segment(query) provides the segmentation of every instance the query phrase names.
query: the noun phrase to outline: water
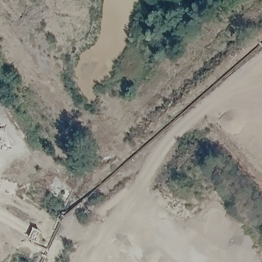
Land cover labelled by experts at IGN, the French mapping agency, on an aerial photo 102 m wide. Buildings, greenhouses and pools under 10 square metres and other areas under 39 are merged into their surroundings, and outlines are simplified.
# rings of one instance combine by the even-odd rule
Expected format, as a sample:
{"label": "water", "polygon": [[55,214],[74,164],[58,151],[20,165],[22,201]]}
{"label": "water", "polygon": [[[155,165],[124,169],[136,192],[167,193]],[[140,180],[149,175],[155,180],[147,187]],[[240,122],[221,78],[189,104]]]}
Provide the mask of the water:
{"label": "water", "polygon": [[88,103],[95,99],[93,87],[100,86],[99,81],[111,75],[114,60],[121,54],[130,38],[134,16],[142,12],[141,7],[133,8],[138,0],[104,0],[98,39],[94,46],[81,54],[74,69],[75,75],[72,79],[76,88],[80,89],[80,94],[88,99]]}

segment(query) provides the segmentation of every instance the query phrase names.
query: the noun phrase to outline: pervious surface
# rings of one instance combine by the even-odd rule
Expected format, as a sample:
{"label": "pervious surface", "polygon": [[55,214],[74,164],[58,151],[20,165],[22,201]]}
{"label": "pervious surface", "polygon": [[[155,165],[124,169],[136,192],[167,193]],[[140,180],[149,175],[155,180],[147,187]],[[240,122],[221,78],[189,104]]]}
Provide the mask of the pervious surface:
{"label": "pervious surface", "polygon": [[225,133],[230,134],[230,139],[238,148],[242,148],[243,154],[257,170],[262,167],[262,54],[257,53],[213,92],[196,102],[192,110],[172,124],[146,159],[136,179],[129,180],[111,200],[99,206],[96,212],[98,221],[82,225],[76,215],[71,216],[69,213],[64,219],[58,218],[52,219],[45,209],[40,210],[26,203],[29,198],[27,194],[23,194],[23,199],[18,198],[15,193],[16,183],[1,179],[3,171],[10,167],[15,159],[19,159],[29,147],[25,141],[25,134],[16,122],[16,113],[9,106],[0,104],[0,262],[262,262],[262,249],[253,249],[252,238],[244,233],[242,223],[231,218],[224,206],[210,202],[207,209],[194,215],[198,207],[192,208],[192,204],[185,204],[185,200],[182,200],[175,208],[171,208],[168,198],[164,200],[158,189],[152,189],[158,169],[166,165],[165,157],[176,142],[177,137],[194,129],[196,123],[205,115],[208,116],[211,124],[217,123]]}

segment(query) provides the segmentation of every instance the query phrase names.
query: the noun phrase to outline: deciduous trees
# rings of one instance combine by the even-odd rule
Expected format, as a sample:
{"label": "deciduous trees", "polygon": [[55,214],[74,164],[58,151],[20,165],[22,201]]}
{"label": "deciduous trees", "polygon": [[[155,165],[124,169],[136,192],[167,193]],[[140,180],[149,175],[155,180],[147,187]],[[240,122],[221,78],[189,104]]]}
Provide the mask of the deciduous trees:
{"label": "deciduous trees", "polygon": [[0,45],[0,104],[9,106],[10,102],[18,98],[12,90],[19,91],[21,83],[18,71],[13,64],[6,62]]}
{"label": "deciduous trees", "polygon": [[226,45],[225,50],[228,51],[227,55],[234,55],[242,50],[246,46],[246,39],[253,39],[259,32],[262,33],[262,18],[252,20],[251,26],[243,32],[236,31],[231,34],[227,27],[221,30],[215,38]]}
{"label": "deciduous trees", "polygon": [[233,7],[233,2],[238,0],[138,0],[133,8],[141,7],[142,12],[134,16],[130,38],[138,38],[145,34],[146,40],[142,40],[142,44],[150,50],[148,62],[151,63],[155,58],[160,63],[166,58],[178,59],[187,45],[191,47],[202,37],[209,36],[210,21],[221,23],[220,14]]}
{"label": "deciduous trees", "polygon": [[177,137],[176,142],[178,148],[192,156],[199,141],[207,140],[207,134],[210,132],[207,127],[203,130],[194,129]]}
{"label": "deciduous trees", "polygon": [[67,208],[60,192],[52,193],[47,189],[41,199],[40,210],[45,209],[52,219],[58,218],[58,211]]}
{"label": "deciduous trees", "polygon": [[214,190],[218,192],[224,206],[231,218],[242,223],[244,233],[252,238],[253,249],[262,249],[262,192],[257,189],[254,176],[247,171],[239,170],[232,156],[223,147],[217,157],[207,156],[199,166],[202,175],[209,177],[214,183]]}
{"label": "deciduous trees", "polygon": [[85,132],[77,131],[74,140],[65,144],[68,147],[68,151],[64,152],[67,158],[57,157],[51,142],[42,138],[40,132],[35,128],[25,134],[25,141],[29,147],[34,150],[43,149],[55,163],[67,168],[77,177],[100,167],[98,159],[102,157],[96,154],[99,146],[90,129]]}

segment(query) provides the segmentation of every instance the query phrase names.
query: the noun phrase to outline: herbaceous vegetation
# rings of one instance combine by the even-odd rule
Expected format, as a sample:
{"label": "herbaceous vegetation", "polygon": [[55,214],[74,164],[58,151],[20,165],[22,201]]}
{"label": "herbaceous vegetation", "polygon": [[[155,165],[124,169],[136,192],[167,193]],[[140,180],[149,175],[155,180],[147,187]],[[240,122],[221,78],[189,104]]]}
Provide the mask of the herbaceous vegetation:
{"label": "herbaceous vegetation", "polygon": [[136,96],[131,101],[108,93],[99,93],[100,115],[90,114],[81,103],[75,105],[71,92],[65,91],[61,81],[62,71],[67,69],[63,60],[67,47],[71,46],[67,39],[75,39],[78,43],[88,31],[91,0],[0,0],[0,45],[6,62],[13,64],[18,71],[21,83],[37,92],[34,100],[49,122],[46,124],[45,132],[40,132],[42,138],[51,142],[57,157],[67,158],[64,152],[68,151],[68,147],[65,144],[74,140],[77,131],[85,132],[90,129],[99,146],[96,154],[102,157],[98,159],[100,167],[77,177],[67,168],[55,163],[43,149],[34,150],[29,147],[19,159],[15,159],[10,167],[3,171],[1,179],[16,183],[15,193],[18,198],[23,199],[23,194],[27,194],[29,198],[26,203],[40,210],[41,199],[47,189],[52,193],[60,192],[67,208],[58,211],[58,218],[64,219],[69,213],[71,216],[76,215],[82,225],[98,221],[96,212],[99,206],[111,200],[129,180],[136,179],[146,159],[172,124],[192,110],[196,102],[213,92],[257,53],[262,54],[262,33],[259,32],[253,39],[246,39],[246,46],[242,50],[234,55],[227,55],[204,82],[198,83],[187,95],[183,95],[171,110],[167,110],[163,117],[159,118],[158,123],[150,123],[142,138],[135,137],[129,142],[123,140],[129,129],[136,127],[150,111],[155,111],[156,106],[162,104],[165,97],[171,95],[172,90],[180,88],[184,80],[191,79],[195,71],[202,69],[204,61],[209,61],[218,52],[225,50],[226,45],[215,38],[221,30],[227,27],[231,34],[236,31],[243,32],[251,26],[252,20],[262,18],[262,0],[238,0],[233,2],[233,7],[220,14],[221,23],[210,21],[209,36],[202,37],[191,47],[187,45],[178,59],[166,58],[160,63],[156,65],[157,71],[152,80],[148,83],[143,81],[137,87]]}

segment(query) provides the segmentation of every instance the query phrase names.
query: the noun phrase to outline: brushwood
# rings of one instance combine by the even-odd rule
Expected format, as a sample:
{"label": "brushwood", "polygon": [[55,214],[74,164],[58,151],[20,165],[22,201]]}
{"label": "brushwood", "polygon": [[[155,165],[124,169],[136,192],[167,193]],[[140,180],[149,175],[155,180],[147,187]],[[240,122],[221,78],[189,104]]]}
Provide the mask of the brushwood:
{"label": "brushwood", "polygon": [[223,147],[232,156],[239,170],[247,171],[254,176],[257,189],[262,192],[262,167],[257,170],[243,154],[242,148],[238,148],[230,139],[230,134],[225,133],[217,123],[211,124],[208,116],[205,115],[196,123],[194,129],[203,130],[207,127],[210,132],[207,134],[207,140],[199,141],[192,156],[178,148],[176,142],[165,157],[166,165],[158,169],[152,189],[158,189],[164,200],[168,198],[171,208],[175,208],[182,200],[185,200],[185,204],[192,204],[192,208],[198,207],[194,215],[207,209],[210,202],[224,206],[218,192],[214,190],[214,183],[209,177],[202,175],[199,166],[207,156],[217,157]]}
{"label": "brushwood", "polygon": [[35,128],[40,132],[45,132],[46,124],[49,122],[34,100],[37,92],[21,83],[19,91],[12,90],[18,98],[10,102],[9,106],[16,113],[16,122],[25,134]]}
{"label": "brushwood", "polygon": [[202,69],[195,71],[191,79],[184,80],[180,88],[172,90],[171,95],[165,97],[162,104],[156,106],[155,111],[150,111],[136,127],[129,129],[123,140],[129,142],[135,137],[142,138],[150,123],[158,123],[159,118],[163,117],[167,110],[171,110],[183,95],[187,95],[198,83],[204,82],[227,55],[228,51],[225,50],[218,52],[209,61],[204,61]]}
{"label": "brushwood", "polygon": [[75,39],[67,39],[71,46],[67,47],[63,60],[67,69],[62,71],[61,81],[65,91],[71,92],[75,105],[81,103],[90,114],[100,115],[99,93],[108,93],[131,101],[136,96],[137,87],[143,81],[148,83],[152,80],[157,71],[156,65],[160,63],[155,58],[151,63],[148,62],[150,50],[142,44],[142,40],[146,40],[145,34],[138,38],[130,38],[121,54],[114,60],[111,75],[99,81],[100,86],[93,87],[95,99],[88,103],[88,99],[80,94],[80,89],[76,88],[72,79],[75,75],[74,69],[81,54],[94,46],[98,39],[104,0],[91,0],[88,31],[78,43]]}

